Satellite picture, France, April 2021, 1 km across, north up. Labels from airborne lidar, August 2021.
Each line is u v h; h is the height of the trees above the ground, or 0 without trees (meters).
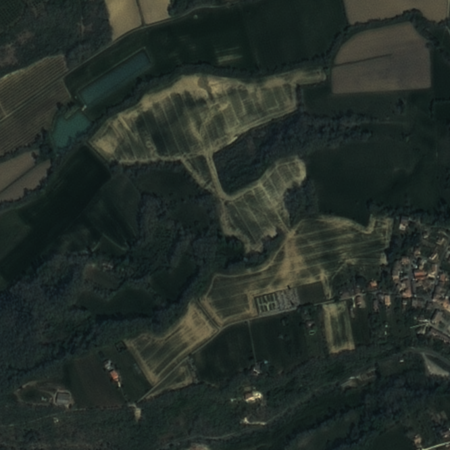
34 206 0
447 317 11
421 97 0
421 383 14
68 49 6
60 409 11
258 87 0
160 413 26
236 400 16
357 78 0
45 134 19
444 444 0
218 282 0
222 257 17
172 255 15
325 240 0
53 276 13
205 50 0
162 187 0
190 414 9
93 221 0
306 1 0
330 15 0
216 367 0
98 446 6
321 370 25
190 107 0
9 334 16
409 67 0
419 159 0
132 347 0
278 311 0
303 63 10
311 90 0
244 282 0
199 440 15
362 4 0
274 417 24
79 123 0
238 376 12
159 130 0
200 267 14
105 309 0
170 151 0
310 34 0
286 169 0
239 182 8
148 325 12
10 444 11
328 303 0
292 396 22
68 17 20
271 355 0
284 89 0
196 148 0
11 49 0
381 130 0
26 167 0
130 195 0
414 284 0
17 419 18
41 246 0
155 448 18
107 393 0
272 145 10
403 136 9
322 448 0
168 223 14
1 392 17
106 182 0
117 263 11
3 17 5
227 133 0
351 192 0
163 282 0
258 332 0
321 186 0
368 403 22
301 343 0
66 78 0
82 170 0
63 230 0
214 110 0
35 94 0
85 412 10
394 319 0
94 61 0
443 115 0
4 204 13
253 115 0
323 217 0
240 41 0
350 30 12
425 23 15
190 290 19
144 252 7
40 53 11
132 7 0
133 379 0
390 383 14
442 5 0
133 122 0
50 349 20
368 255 0
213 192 0
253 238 0
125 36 0
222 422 8
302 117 14
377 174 0
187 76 0
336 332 0
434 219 20
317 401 16
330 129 16
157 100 0
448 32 0
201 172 0
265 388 22
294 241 0
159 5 0
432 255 0
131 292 0
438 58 0
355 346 0
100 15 19
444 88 0
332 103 0
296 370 13
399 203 0
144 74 0
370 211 12
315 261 0
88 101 0
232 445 13
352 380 0
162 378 0
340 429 0
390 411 24
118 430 8
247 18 0
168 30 0
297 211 19
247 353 0
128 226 0
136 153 0
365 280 8
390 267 11
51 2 7
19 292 12
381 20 10
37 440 8
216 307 0
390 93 0
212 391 14
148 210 19
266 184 0
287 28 0
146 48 0
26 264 0
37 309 18
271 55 0
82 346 20
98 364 0
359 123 13
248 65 0
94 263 15
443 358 14
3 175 0
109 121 0
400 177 0
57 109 0
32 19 16
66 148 6
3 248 0
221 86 0
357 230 0
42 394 0
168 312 24
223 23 0
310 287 0
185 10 6
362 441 20
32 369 15
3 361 17
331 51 11
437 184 0
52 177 23
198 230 0
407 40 0
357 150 0
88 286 18
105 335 24
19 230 0
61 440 16
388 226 0
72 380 0
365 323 0
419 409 10
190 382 0
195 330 0
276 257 0
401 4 0
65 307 21
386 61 0
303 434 22
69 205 0
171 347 0
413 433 14
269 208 0
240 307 0
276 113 0
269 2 0
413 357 9
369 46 0
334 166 0
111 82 0
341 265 0
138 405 14
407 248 15
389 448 0
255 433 13
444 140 0
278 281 0
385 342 11
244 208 0
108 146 0
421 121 0
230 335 0
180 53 0
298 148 24
